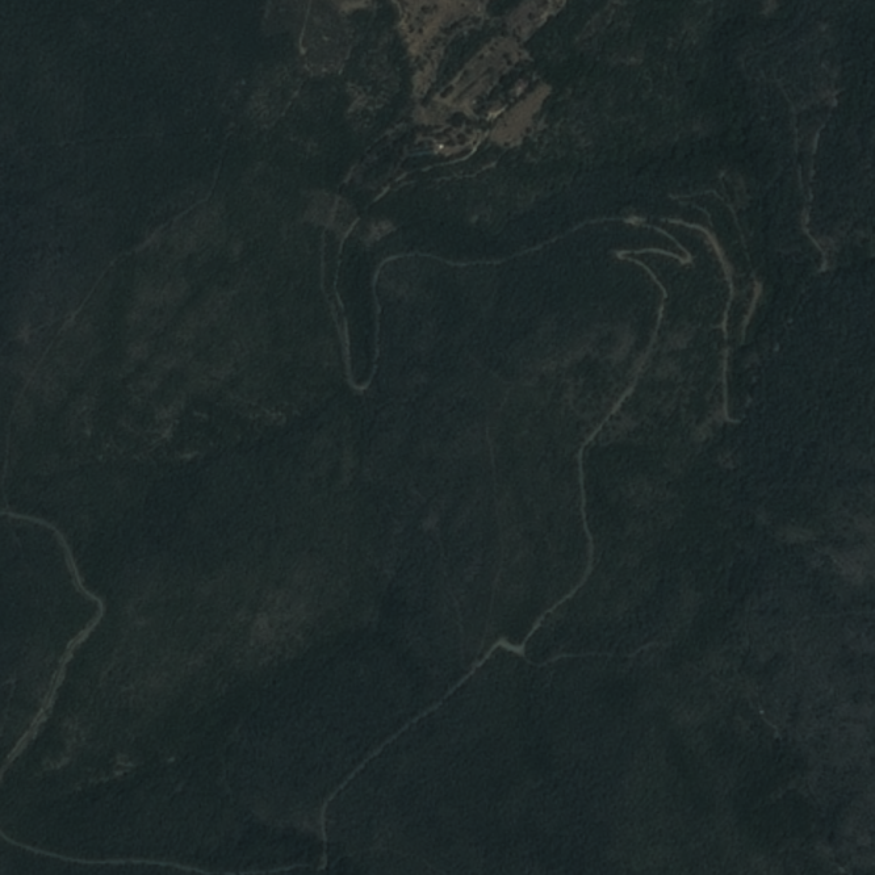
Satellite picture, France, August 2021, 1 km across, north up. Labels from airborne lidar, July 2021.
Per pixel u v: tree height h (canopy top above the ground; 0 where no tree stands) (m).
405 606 8
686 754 9
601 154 11
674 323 7
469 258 6
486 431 0
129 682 6
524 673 8
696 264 7
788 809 8
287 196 6
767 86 6
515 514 0
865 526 0
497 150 6
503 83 12
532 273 6
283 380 6
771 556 6
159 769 7
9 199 6
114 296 5
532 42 6
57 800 7
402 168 7
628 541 7
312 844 8
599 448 7
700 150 9
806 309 8
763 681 7
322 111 7
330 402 6
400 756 5
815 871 6
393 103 8
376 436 5
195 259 8
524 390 0
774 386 6
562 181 8
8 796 6
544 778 8
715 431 6
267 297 7
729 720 7
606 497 6
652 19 10
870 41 10
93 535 6
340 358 5
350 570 6
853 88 9
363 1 0
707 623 8
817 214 7
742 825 7
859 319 6
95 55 6
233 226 7
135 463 5
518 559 0
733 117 7
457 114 7
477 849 7
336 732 6
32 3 6
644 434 7
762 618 6
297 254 6
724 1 7
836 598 6
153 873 6
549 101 7
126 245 6
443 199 6
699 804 7
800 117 8
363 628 6
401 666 7
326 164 6
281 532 8
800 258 13
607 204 8
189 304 6
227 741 7
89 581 6
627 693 6
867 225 7
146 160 6
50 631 7
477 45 7
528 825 5
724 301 7
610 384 5
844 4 11
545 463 7
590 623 6
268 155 6
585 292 6
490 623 0
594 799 6
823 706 6
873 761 6
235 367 7
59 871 6
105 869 6
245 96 5
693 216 6
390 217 6
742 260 7
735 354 7
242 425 6
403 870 0
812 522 7
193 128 6
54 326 0
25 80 5
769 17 7
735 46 6
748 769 7
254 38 5
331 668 6
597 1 8
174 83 6
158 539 7
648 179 9
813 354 7
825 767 6
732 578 8
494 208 6
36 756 6
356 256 10
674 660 7
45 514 6
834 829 7
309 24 0
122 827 7
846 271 7
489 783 6
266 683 10
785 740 5
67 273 0
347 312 6
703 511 10
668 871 8
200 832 6
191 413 7
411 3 0
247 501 6
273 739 6
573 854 7
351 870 7
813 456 6
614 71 7
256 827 10
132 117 7
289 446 6
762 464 5
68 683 6
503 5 6
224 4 5
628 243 6
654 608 6
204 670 8
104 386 6
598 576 6
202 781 8
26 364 0
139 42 7
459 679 6
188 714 6
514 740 6
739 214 7
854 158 6
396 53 8
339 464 7
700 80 7
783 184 12
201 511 6
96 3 6
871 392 6
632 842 5
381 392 7
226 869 6
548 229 7
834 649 0
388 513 6
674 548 8
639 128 6
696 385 7
